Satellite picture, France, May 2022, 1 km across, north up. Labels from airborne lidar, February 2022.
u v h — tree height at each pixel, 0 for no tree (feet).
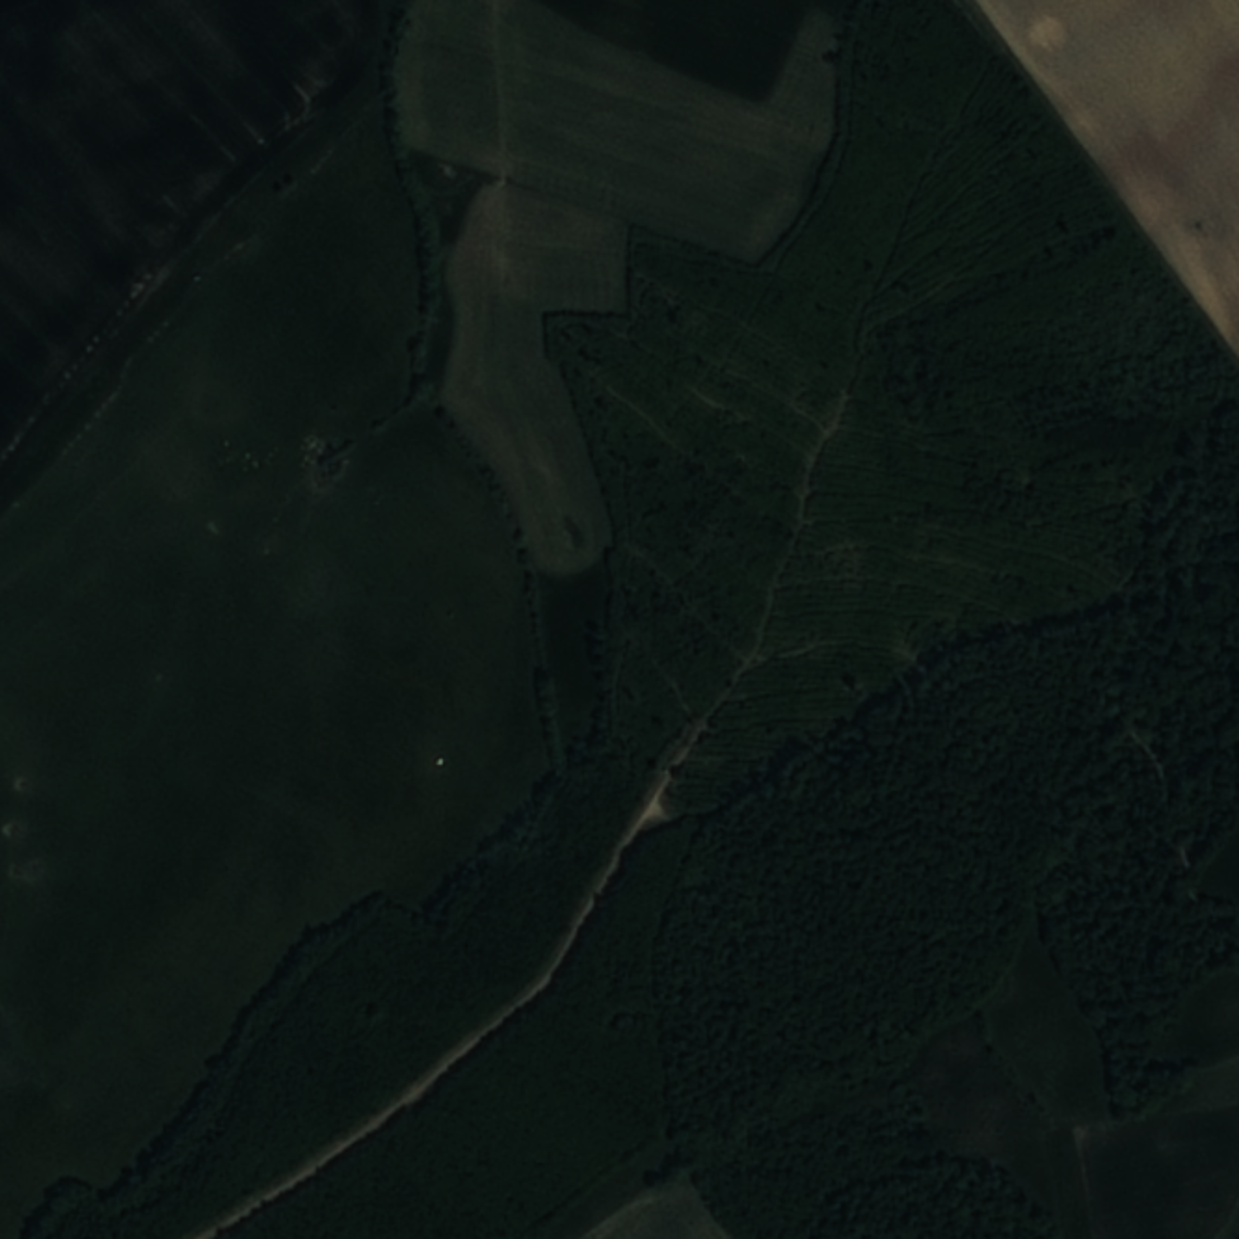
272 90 0
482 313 0
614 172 0
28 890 0
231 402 0
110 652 0
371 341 0
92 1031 0
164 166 0
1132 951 66
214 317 0
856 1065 63
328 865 0
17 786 0
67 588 0
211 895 0
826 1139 24
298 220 0
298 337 0
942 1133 0
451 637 0
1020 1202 80
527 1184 32
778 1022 75
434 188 0
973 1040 0
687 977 50
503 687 0
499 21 0
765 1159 42
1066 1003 0
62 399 0
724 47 0
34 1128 0
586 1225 0
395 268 0
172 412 0
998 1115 0
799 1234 39
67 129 0
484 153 0
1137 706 98
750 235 0
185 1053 0
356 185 0
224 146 0
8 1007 0
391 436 0
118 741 0
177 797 0
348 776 0
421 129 0
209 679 0
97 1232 42
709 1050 79
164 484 0
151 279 0
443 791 0
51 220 0
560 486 0
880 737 85
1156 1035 58
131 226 0
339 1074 38
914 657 0
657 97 0
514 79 0
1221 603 79
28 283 0
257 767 0
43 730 0
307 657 0
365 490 0
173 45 0
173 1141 58
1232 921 51
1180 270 0
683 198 0
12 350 0
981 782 90
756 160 0
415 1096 0
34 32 0
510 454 0
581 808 44
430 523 0
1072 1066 0
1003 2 0
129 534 0
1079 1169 0
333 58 0
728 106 0
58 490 0
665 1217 0
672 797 21
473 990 44
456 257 0
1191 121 0
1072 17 0
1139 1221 0
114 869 0
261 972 0
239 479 0
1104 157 0
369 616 0
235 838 0
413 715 0
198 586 0
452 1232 39
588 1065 38
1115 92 0
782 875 69
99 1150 0
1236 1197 0
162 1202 33
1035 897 76
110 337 0
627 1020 38
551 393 0
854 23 21
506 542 0
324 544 0
